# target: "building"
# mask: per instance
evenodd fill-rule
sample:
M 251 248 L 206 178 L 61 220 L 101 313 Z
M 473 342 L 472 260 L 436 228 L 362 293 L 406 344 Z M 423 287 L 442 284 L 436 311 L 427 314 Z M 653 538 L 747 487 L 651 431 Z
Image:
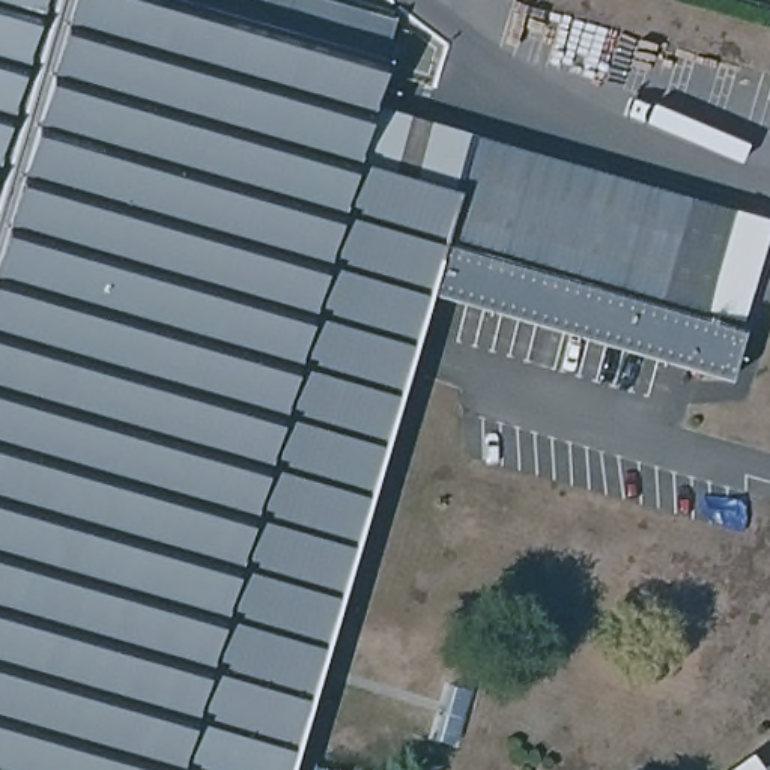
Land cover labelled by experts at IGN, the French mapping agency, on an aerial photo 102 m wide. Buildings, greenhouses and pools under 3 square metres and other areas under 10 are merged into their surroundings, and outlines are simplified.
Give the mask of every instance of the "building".
M 626 180 L 587 165 L 562 162 L 553 156 L 541 156 L 412 114 L 394 114 L 385 129 L 367 123 L 367 111 L 379 108 L 388 87 L 388 72 L 382 72 L 379 66 L 397 57 L 388 36 L 394 36 L 397 30 L 397 18 L 337 0 L 0 0 L 0 770 L 301 770 L 436 301 L 460 307 L 463 301 L 472 301 L 535 322 L 550 322 L 581 337 L 608 340 L 608 349 L 620 355 L 626 349 L 635 349 L 638 355 L 647 352 L 695 364 L 728 376 L 725 385 L 734 385 L 740 379 L 749 334 L 728 328 L 728 319 L 746 316 L 752 310 L 755 286 L 770 247 L 770 220 L 746 211 L 734 214 L 722 205 Z

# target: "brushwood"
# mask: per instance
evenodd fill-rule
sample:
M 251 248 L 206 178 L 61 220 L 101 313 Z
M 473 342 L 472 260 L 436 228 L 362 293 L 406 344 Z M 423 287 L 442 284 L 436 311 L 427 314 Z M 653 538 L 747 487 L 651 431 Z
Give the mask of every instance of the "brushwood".
M 770 0 L 680 0 L 770 27 Z

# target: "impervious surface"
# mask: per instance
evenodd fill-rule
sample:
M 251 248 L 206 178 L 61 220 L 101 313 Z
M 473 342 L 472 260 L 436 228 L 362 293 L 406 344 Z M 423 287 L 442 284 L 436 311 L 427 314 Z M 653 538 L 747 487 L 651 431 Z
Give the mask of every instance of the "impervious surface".
M 421 433 L 421 421 L 436 376 L 460 388 L 466 457 L 472 460 L 484 454 L 487 463 L 499 460 L 514 475 L 529 475 L 532 481 L 544 478 L 550 487 L 574 481 L 574 487 L 584 493 L 602 493 L 611 499 L 632 487 L 635 493 L 641 493 L 650 511 L 662 511 L 671 520 L 680 520 L 689 508 L 695 508 L 704 520 L 713 517 L 728 529 L 749 526 L 755 496 L 770 502 L 770 454 L 722 442 L 713 436 L 689 433 L 683 430 L 683 412 L 689 403 L 746 400 L 755 364 L 770 337 L 770 247 L 755 286 L 752 310 L 746 316 L 728 319 L 728 328 L 749 334 L 740 379 L 734 385 L 725 385 L 728 376 L 695 364 L 647 352 L 638 355 L 635 349 L 626 349 L 620 355 L 608 349 L 608 340 L 581 337 L 550 322 L 535 322 L 472 301 L 463 301 L 460 307 L 436 301 L 301 770 L 328 770 L 334 758 L 328 755 L 328 740 L 334 731 L 343 686 L 352 668 L 358 635 L 367 617 L 379 562 L 388 544 L 400 490 L 409 472 L 409 460 Z
M 412 114 L 541 156 L 553 156 L 562 162 L 587 165 L 626 180 L 722 205 L 734 214 L 746 211 L 770 220 L 770 75 L 755 69 L 737 72 L 734 60 L 743 48 L 737 42 L 722 42 L 719 51 L 704 51 L 704 57 L 674 51 L 674 42 L 665 33 L 629 30 L 617 24 L 611 15 L 596 12 L 590 0 L 337 0 L 397 18 L 397 30 L 394 36 L 388 36 L 397 57 L 379 66 L 382 72 L 388 72 L 388 87 L 379 108 L 367 111 L 367 123 L 385 129 L 394 114 Z
M 454 755 L 451 746 L 460 743 L 469 731 L 475 695 L 457 689 L 454 683 L 442 683 L 436 698 L 421 698 L 418 707 L 430 710 L 433 722 L 430 740 L 418 740 L 415 758 L 421 770 L 448 770 Z

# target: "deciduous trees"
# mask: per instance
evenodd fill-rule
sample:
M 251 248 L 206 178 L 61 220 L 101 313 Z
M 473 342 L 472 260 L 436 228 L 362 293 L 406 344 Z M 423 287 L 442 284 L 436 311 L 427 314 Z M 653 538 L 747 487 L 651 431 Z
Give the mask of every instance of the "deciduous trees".
M 367 743 L 358 755 L 364 755 L 364 761 L 379 770 L 421 770 L 415 758 L 418 740 L 400 743 L 385 737 Z
M 553 677 L 568 662 L 568 656 L 562 653 L 562 635 L 556 623 L 547 620 L 547 614 L 538 608 L 532 596 L 505 596 L 505 584 L 496 581 L 490 587 L 460 596 L 460 608 L 448 620 L 448 635 L 442 644 L 442 662 L 454 671 L 454 683 L 457 689 L 475 695 L 490 695 L 499 704 L 517 701 L 526 695 L 529 686 L 535 686 L 544 677 Z
M 535 770 L 544 764 L 544 758 L 538 752 L 523 752 L 514 734 L 508 740 L 508 755 L 523 770 Z
M 635 611 L 629 602 L 623 602 L 611 614 L 599 611 L 599 626 L 587 635 L 581 650 L 593 659 L 605 680 L 629 692 L 650 695 L 656 680 L 683 671 L 683 659 L 692 653 L 692 647 L 686 647 L 683 641 L 683 620 L 677 611 L 647 605 L 644 611 Z

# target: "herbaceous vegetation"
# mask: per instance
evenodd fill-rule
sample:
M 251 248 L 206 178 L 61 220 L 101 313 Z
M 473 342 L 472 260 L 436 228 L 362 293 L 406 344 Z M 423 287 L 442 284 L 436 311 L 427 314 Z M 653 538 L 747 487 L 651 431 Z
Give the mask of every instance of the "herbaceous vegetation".
M 755 364 L 746 400 L 689 403 L 683 412 L 683 430 L 689 433 L 713 436 L 722 442 L 770 454 L 770 337 Z
M 755 69 L 770 75 L 770 27 L 680 0 L 590 0 L 596 12 L 611 15 L 617 24 L 629 30 L 665 33 L 674 42 L 674 51 L 704 57 L 704 51 L 719 51 L 722 42 L 737 42 L 743 48 L 734 60 L 737 72 Z
M 454 683 L 454 671 L 442 662 L 442 644 L 448 635 L 448 620 L 460 608 L 460 596 L 490 587 L 496 581 L 505 584 L 505 596 L 532 596 L 538 608 L 547 614 L 547 620 L 556 623 L 562 635 L 562 653 L 568 656 L 568 662 L 553 677 L 544 677 L 535 686 L 529 686 L 526 695 L 517 701 L 499 704 L 490 695 L 475 695 L 469 731 L 460 743 L 451 746 L 454 755 L 448 770 L 523 770 L 508 755 L 508 740 L 514 734 L 523 752 L 538 752 L 544 758 L 544 764 L 535 770 L 770 770 L 770 502 L 755 496 L 749 526 L 728 529 L 713 517 L 704 520 L 695 508 L 689 508 L 680 520 L 671 520 L 662 511 L 650 511 L 641 493 L 635 493 L 632 487 L 611 499 L 602 493 L 584 493 L 574 487 L 574 481 L 550 487 L 544 478 L 532 481 L 529 475 L 514 475 L 499 460 L 487 463 L 484 454 L 472 460 L 466 457 L 460 388 L 436 376 L 421 421 L 421 433 L 409 460 L 409 472 L 400 490 L 388 544 L 379 562 L 367 617 L 358 635 L 352 668 L 343 686 L 334 731 L 328 740 L 328 755 L 334 758 L 328 770 L 379 770 L 364 761 L 364 755 L 358 755 L 367 743 L 385 737 L 400 743 L 418 740 L 430 740 L 433 722 L 430 710 L 418 707 L 421 698 L 436 698 L 442 683 Z M 686 647 L 692 647 L 692 653 L 683 659 L 683 671 L 656 680 L 650 695 L 629 692 L 605 680 L 593 659 L 581 650 L 587 635 L 599 626 L 599 611 L 611 614 L 623 602 L 629 602 L 635 611 L 644 611 L 647 605 L 677 611 L 683 620 L 683 641 Z

